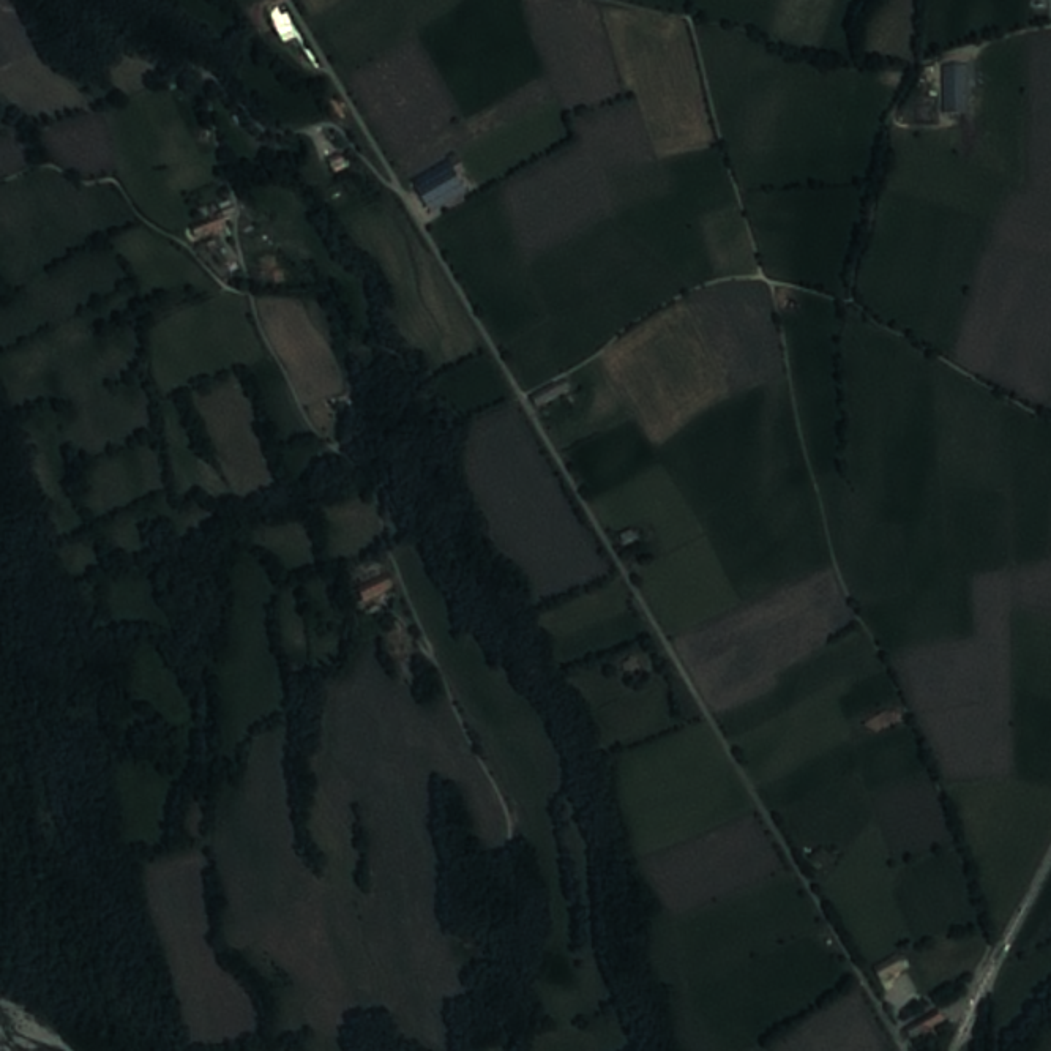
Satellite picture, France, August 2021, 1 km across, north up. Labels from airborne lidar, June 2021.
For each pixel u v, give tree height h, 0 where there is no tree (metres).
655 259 0
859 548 0
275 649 10
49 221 0
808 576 0
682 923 0
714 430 0
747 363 0
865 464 0
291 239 0
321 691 14
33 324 0
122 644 21
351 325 17
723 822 0
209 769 14
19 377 0
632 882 9
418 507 22
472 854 23
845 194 0
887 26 0
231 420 0
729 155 10
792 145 0
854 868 0
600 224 0
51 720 18
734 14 0
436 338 0
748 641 0
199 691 19
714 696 0
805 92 0
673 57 0
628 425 0
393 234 0
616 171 0
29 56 0
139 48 22
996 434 0
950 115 0
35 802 8
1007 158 0
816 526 0
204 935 0
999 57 0
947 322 0
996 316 0
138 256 0
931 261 0
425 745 0
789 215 0
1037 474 0
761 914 0
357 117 0
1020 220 0
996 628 0
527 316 0
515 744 0
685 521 0
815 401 0
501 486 0
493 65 0
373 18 0
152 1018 16
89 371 0
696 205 0
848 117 0
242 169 13
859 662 0
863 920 0
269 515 17
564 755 16
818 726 0
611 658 12
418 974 0
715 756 0
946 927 0
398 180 0
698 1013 0
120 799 18
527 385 0
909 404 0
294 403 0
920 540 0
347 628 7
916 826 0
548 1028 17
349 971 0
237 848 0
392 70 0
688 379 0
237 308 0
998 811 0
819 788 0
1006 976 0
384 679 0
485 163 0
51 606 21
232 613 8
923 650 0
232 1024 0
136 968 20
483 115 0
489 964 10
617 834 17
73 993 10
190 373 0
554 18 0
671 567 0
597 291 0
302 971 0
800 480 0
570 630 0
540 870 15
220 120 10
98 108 14
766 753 0
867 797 0
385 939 0
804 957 0
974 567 0
